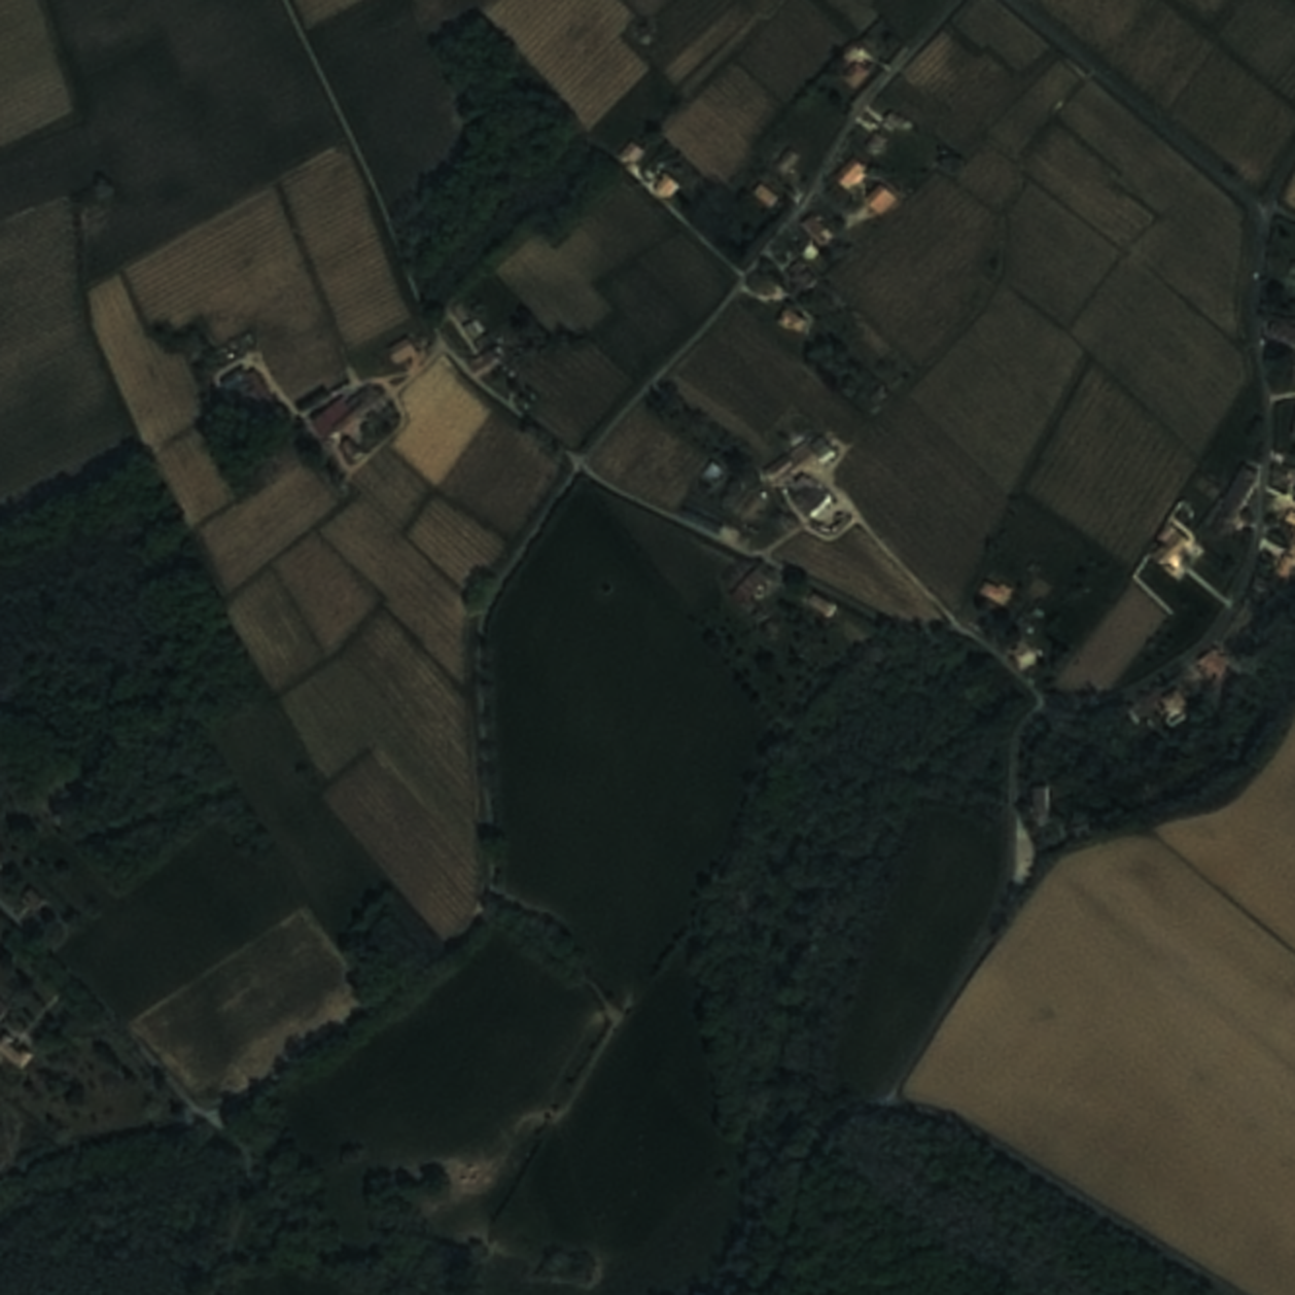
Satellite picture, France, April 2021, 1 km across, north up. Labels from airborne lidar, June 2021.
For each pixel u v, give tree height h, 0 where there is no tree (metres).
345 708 0
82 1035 14
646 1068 0
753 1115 19
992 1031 0
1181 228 0
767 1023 23
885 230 0
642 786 0
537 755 0
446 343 0
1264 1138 0
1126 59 0
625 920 0
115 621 24
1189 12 0
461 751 0
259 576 0
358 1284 22
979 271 0
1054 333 0
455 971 12
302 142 0
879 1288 19
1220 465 0
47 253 0
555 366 0
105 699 7
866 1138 19
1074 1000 0
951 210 0
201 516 0
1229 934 0
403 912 13
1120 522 0
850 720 25
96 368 0
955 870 0
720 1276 11
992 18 0
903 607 0
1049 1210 15
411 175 0
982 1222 20
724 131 0
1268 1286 0
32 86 0
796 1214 19
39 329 0
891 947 0
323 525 0
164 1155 23
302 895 0
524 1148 0
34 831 19
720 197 18
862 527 0
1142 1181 0
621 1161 0
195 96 0
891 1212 20
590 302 0
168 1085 19
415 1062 0
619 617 0
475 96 19
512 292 0
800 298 6
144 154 0
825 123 0
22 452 0
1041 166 0
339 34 0
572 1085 6
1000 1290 21
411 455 0
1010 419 0
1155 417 0
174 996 0
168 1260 24
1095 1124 0
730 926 15
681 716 0
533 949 15
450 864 0
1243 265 0
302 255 0
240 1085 0
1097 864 0
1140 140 0
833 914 20
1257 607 11
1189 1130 0
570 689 0
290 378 0
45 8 0
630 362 0
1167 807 12
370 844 0
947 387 0
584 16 0
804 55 0
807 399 0
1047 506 0
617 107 0
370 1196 10
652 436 0
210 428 15
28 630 22
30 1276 24
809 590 12
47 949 16
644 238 0
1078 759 18
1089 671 0
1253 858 0
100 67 0
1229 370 0
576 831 0
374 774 0
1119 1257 18
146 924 0
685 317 0
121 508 26
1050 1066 0
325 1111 0
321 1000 0
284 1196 19
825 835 16
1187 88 0
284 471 0
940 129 0
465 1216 0
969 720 19
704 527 0
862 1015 0
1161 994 0
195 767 19
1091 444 0
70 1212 25
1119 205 0
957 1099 0
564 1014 0
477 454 0
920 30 0
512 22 0
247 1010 0
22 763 23
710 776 0
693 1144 0
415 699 0
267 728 0
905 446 0
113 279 0
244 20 0
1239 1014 0
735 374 0
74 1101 10
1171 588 0
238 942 0
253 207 0
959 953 0
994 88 0
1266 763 13
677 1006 0
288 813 0
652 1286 0
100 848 21
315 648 0
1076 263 0
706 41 0
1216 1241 0
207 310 0
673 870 0
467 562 0
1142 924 0
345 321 0
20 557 21
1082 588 6
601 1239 0
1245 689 23
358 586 0
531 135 19
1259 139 0
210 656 18
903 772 20
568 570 0
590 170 16
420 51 0
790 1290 25
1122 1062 0
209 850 0
